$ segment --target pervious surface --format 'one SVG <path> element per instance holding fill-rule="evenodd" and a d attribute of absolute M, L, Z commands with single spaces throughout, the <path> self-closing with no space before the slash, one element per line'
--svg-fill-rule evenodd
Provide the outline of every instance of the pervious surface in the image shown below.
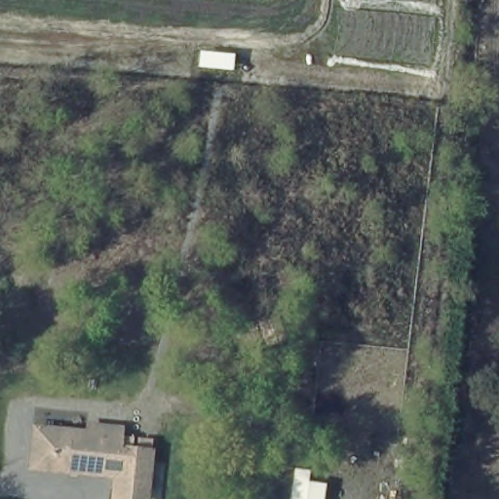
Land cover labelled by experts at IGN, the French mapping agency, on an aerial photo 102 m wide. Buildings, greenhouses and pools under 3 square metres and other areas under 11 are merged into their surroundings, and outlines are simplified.
<path fill-rule="evenodd" d="M 193 49 L 201 53 L 216 51 L 220 43 L 249 49 L 251 53 L 255 49 L 277 49 L 296 45 L 308 35 L 312 35 L 316 27 L 324 27 L 327 8 L 327 0 L 320 0 L 320 14 L 316 21 L 308 25 L 304 31 L 292 35 L 209 27 L 150 27 L 113 23 L 107 19 L 80 21 L 66 18 L 35 18 L 10 12 L 0 16 L 0 27 L 8 31 L 68 31 L 88 37 L 117 35 L 125 39 L 162 41 L 170 45 L 170 49 L 177 43 L 191 43 Z"/>
<path fill-rule="evenodd" d="M 193 234 L 197 230 L 197 220 L 205 216 L 205 212 L 201 211 L 201 199 L 209 175 L 205 170 L 209 170 L 211 166 L 212 140 L 222 111 L 218 101 L 224 97 L 226 86 L 214 86 L 214 90 L 211 111 L 207 115 L 209 131 L 207 138 L 201 142 L 199 160 L 203 164 L 203 170 L 195 173 L 195 177 L 193 212 L 189 214 L 187 234 L 179 249 L 179 259 L 183 255 L 189 255 L 189 249 L 193 246 Z"/>
<path fill-rule="evenodd" d="M 366 499 L 363 485 L 359 485 L 357 481 L 331 478 L 326 483 L 326 499 Z"/>

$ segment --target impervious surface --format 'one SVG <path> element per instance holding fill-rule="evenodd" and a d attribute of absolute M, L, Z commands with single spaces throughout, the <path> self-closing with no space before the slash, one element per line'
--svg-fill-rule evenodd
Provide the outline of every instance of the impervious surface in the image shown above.
<path fill-rule="evenodd" d="M 86 419 L 103 417 L 127 419 L 125 435 L 156 435 L 156 458 L 152 474 L 154 499 L 166 499 L 170 444 L 162 437 L 162 425 L 164 419 L 175 411 L 173 407 L 179 398 L 160 392 L 156 380 L 144 384 L 142 394 L 131 403 L 19 398 L 8 403 L 0 411 L 0 499 L 109 499 L 109 480 L 80 480 L 68 478 L 57 472 L 37 472 L 29 468 L 31 435 L 37 425 L 86 429 Z"/>

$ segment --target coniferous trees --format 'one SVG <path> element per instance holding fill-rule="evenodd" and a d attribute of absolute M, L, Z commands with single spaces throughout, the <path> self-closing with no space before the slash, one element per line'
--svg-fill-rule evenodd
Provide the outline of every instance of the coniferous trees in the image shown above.
<path fill-rule="evenodd" d="M 489 365 L 481 368 L 480 372 L 472 376 L 470 382 L 470 400 L 476 407 L 489 413 L 491 423 L 499 433 L 499 366 Z"/>

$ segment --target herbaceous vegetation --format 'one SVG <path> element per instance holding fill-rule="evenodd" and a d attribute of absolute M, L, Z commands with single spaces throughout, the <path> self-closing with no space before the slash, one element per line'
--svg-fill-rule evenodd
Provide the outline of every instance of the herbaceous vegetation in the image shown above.
<path fill-rule="evenodd" d="M 16 267 L 12 261 L 12 253 L 0 246 L 0 279 L 4 275 L 14 275 Z"/>
<path fill-rule="evenodd" d="M 140 285 L 146 277 L 146 271 L 152 265 L 177 269 L 179 259 L 179 249 L 187 234 L 189 214 L 193 212 L 195 177 L 185 175 L 185 211 L 175 212 L 173 207 L 166 207 L 154 212 L 154 216 L 146 224 L 142 224 L 142 228 L 136 234 L 119 238 L 115 246 L 94 255 L 90 253 L 84 261 L 74 261 L 76 253 L 74 242 L 78 238 L 78 216 L 70 205 L 55 199 L 49 193 L 45 197 L 45 203 L 53 205 L 58 211 L 55 226 L 57 240 L 49 248 L 49 255 L 55 259 L 57 265 L 47 273 L 47 277 L 37 287 L 18 285 L 12 290 L 0 288 L 0 411 L 8 403 L 19 398 L 131 403 L 142 394 L 144 384 L 156 380 L 156 372 L 150 370 L 150 351 L 156 345 L 156 337 L 146 331 L 146 306 L 142 300 Z M 27 359 L 29 353 L 35 349 L 35 339 L 43 335 L 57 320 L 55 296 L 64 288 L 70 275 L 78 283 L 84 281 L 90 292 L 107 296 L 119 285 L 119 281 L 111 277 L 109 269 L 125 273 L 129 279 L 127 290 L 117 304 L 117 316 L 121 318 L 121 324 L 113 335 L 105 337 L 111 365 L 117 366 L 125 376 L 119 376 L 101 386 L 74 382 L 58 388 L 47 388 L 41 380 L 41 374 L 33 376 L 27 370 Z"/>
<path fill-rule="evenodd" d="M 337 349 L 337 341 L 322 341 L 318 335 L 302 351 L 300 382 L 292 402 L 296 403 L 298 411 L 306 415 L 310 423 L 335 429 L 335 433 L 329 437 L 329 442 L 333 452 L 339 456 L 339 462 L 335 464 L 335 472 L 331 478 L 357 481 L 359 485 L 363 485 L 366 499 L 433 499 L 433 487 L 417 495 L 415 489 L 403 485 L 396 474 L 396 468 L 403 464 L 403 458 L 396 456 L 394 446 L 400 441 L 409 444 L 413 456 L 419 448 L 419 441 L 403 431 L 402 423 L 396 417 L 396 409 L 403 403 L 403 390 L 405 386 L 415 386 L 417 390 L 421 390 L 425 386 L 427 396 L 435 394 L 435 382 L 427 372 L 421 370 L 421 365 L 415 361 L 413 351 L 398 347 L 363 345 L 359 351 L 351 355 L 347 349 Z"/>
<path fill-rule="evenodd" d="M 173 407 L 175 411 L 164 419 L 162 425 L 162 437 L 170 444 L 166 499 L 185 499 L 181 480 L 185 472 L 183 462 L 179 458 L 179 450 L 181 439 L 191 421 L 191 405 L 179 398 Z"/>
<path fill-rule="evenodd" d="M 499 366 L 499 109 L 489 117 L 489 121 L 478 134 L 478 150 L 474 156 L 474 164 L 481 170 L 480 193 L 485 197 L 487 212 L 485 216 L 478 216 L 474 222 L 476 257 L 470 277 L 476 287 L 476 298 L 468 302 L 466 308 L 464 355 L 460 363 L 458 382 L 458 419 L 454 427 L 454 442 L 450 448 L 450 470 L 444 487 L 444 499 L 499 499 L 499 433 L 491 423 L 489 413 L 476 407 L 470 400 L 470 382 L 472 376 L 480 372 L 481 368 L 489 365 Z"/>
<path fill-rule="evenodd" d="M 105 183 L 111 179 L 127 177 L 125 170 L 131 164 L 121 144 L 125 134 L 123 129 L 127 117 L 140 113 L 140 107 L 138 101 L 129 96 L 127 90 L 119 84 L 119 88 L 107 96 L 97 94 L 97 109 L 94 115 L 68 125 L 64 133 L 55 136 L 58 148 L 64 150 L 62 156 L 70 158 L 74 164 L 82 168 L 84 164 L 101 166 L 105 172 Z M 90 131 L 97 129 L 103 129 L 103 140 L 109 142 L 109 152 L 105 156 L 86 154 L 80 150 L 80 136 L 86 136 Z"/>
<path fill-rule="evenodd" d="M 454 23 L 460 18 L 460 4 L 464 2 L 470 8 L 474 33 L 468 47 L 464 43 L 454 43 Z M 435 78 L 423 78 L 394 70 L 376 70 L 351 64 L 329 66 L 327 58 L 333 57 L 333 49 L 341 39 L 339 12 L 343 10 L 343 6 L 335 2 L 331 8 L 327 8 L 324 27 L 316 27 L 312 35 L 308 35 L 296 45 L 277 49 L 255 49 L 251 53 L 249 49 L 220 43 L 216 51 L 234 55 L 236 60 L 232 70 L 203 68 L 199 64 L 201 53 L 193 49 L 191 43 L 177 43 L 170 49 L 170 45 L 162 41 L 125 39 L 117 35 L 88 37 L 68 31 L 8 31 L 0 27 L 0 60 L 16 64 L 41 64 L 35 70 L 21 70 L 25 88 L 19 90 L 16 109 L 12 113 L 12 123 L 0 129 L 0 150 L 4 154 L 14 152 L 18 144 L 21 123 L 37 127 L 51 113 L 49 109 L 41 107 L 41 103 L 47 101 L 53 80 L 88 82 L 96 90 L 107 82 L 101 74 L 119 74 L 119 70 L 146 72 L 150 80 L 146 80 L 144 84 L 148 90 L 154 90 L 166 88 L 168 80 L 175 80 L 183 82 L 189 92 L 201 74 L 209 80 L 209 86 L 214 90 L 214 86 L 226 86 L 232 84 L 234 78 L 259 84 L 281 86 L 372 90 L 405 96 L 448 96 L 450 66 L 462 72 L 462 66 L 466 62 L 476 64 L 478 68 L 487 68 L 491 78 L 499 86 L 499 0 L 437 0 L 435 6 L 441 8 L 441 12 L 435 14 L 437 25 L 431 33 L 431 66 L 427 70 L 435 70 Z"/>

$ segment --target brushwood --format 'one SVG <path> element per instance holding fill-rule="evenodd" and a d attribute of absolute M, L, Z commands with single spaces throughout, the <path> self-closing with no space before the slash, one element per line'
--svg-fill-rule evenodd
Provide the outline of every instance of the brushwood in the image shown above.
<path fill-rule="evenodd" d="M 150 80 L 146 72 L 119 70 L 119 74 L 119 84 L 127 90 L 129 96 L 138 101 L 140 107 L 154 99 L 154 90 L 148 90 L 144 84 L 146 80 Z"/>
<path fill-rule="evenodd" d="M 62 156 L 64 150 L 58 148 L 55 136 L 64 133 L 68 125 L 94 115 L 97 109 L 97 94 L 96 90 L 88 82 L 53 80 L 47 101 L 41 103 L 41 107 L 49 109 L 51 113 L 55 113 L 58 107 L 66 109 L 66 119 L 62 121 L 62 125 L 55 127 L 53 131 L 39 131 L 37 127 L 21 123 L 18 144 L 14 152 L 4 154 L 0 150 L 0 238 L 19 232 L 21 220 L 29 218 L 31 209 L 35 209 L 39 203 L 45 203 L 45 197 L 49 193 L 45 183 L 25 185 L 21 177 L 33 173 L 35 164 L 43 160 L 43 156 Z"/>
<path fill-rule="evenodd" d="M 127 181 L 127 177 L 111 179 L 105 183 L 105 199 L 101 216 L 96 220 L 96 234 L 90 238 L 88 248 L 76 253 L 74 261 L 84 261 L 90 253 L 94 255 L 115 246 L 119 238 L 136 234 L 142 228 L 142 224 L 146 224 L 154 216 L 154 212 L 166 207 L 164 191 L 170 189 L 173 173 L 185 175 L 195 177 L 195 173 L 203 170 L 203 164 L 199 160 L 187 162 L 177 158 L 173 152 L 173 144 L 177 136 L 185 131 L 197 134 L 201 142 L 207 138 L 209 131 L 207 115 L 211 111 L 214 90 L 209 86 L 209 80 L 201 74 L 189 92 L 191 107 L 181 111 L 173 101 L 162 105 L 170 113 L 168 131 L 138 148 L 142 162 L 148 164 L 156 173 L 156 179 L 150 185 L 150 189 L 156 195 L 154 201 L 150 205 L 144 205 L 142 201 L 129 197 L 127 189 L 131 189 L 131 183 Z"/>
<path fill-rule="evenodd" d="M 209 175 L 201 199 L 201 211 L 205 212 L 205 216 L 197 220 L 197 230 L 207 228 L 209 224 L 222 224 L 228 230 L 228 240 L 236 248 L 236 255 L 228 265 L 214 265 L 203 261 L 199 249 L 193 246 L 189 249 L 189 255 L 183 255 L 179 259 L 177 269 L 177 285 L 181 292 L 187 292 L 193 287 L 220 287 L 226 306 L 238 308 L 242 316 L 253 324 L 267 322 L 273 316 L 281 298 L 281 271 L 288 265 L 302 269 L 316 285 L 314 304 L 308 316 L 314 320 L 318 335 L 322 341 L 337 341 L 337 349 L 347 349 L 351 355 L 359 351 L 363 345 L 398 347 L 413 351 L 417 337 L 421 333 L 431 335 L 433 347 L 441 345 L 442 296 L 446 285 L 442 281 L 433 283 L 427 277 L 425 263 L 431 259 L 442 259 L 442 267 L 448 269 L 450 255 L 441 246 L 427 242 L 429 214 L 423 205 L 429 197 L 427 187 L 433 181 L 437 181 L 442 173 L 439 170 L 439 150 L 444 144 L 446 127 L 442 121 L 442 107 L 448 103 L 448 96 L 405 96 L 372 90 L 281 86 L 277 88 L 277 92 L 288 101 L 287 123 L 290 131 L 296 136 L 296 154 L 287 173 L 269 175 L 267 154 L 277 150 L 277 136 L 273 127 L 257 125 L 253 94 L 255 90 L 259 90 L 259 84 L 234 78 L 232 84 L 226 86 L 224 97 L 218 101 L 222 111 L 212 140 L 211 166 L 209 170 L 205 170 Z M 394 133 L 407 133 L 415 125 L 421 125 L 423 129 L 431 131 L 433 142 L 419 148 L 411 154 L 409 160 L 405 160 L 394 148 Z M 365 205 L 368 199 L 374 199 L 384 207 L 384 214 L 380 220 L 366 216 Z M 394 249 L 392 263 L 380 263 L 372 259 L 372 249 L 380 246 L 390 246 Z"/>
<path fill-rule="evenodd" d="M 0 60 L 0 129 L 12 123 L 12 113 L 16 109 L 19 90 L 25 88 L 21 70 L 35 70 L 41 64 L 16 64 Z"/>

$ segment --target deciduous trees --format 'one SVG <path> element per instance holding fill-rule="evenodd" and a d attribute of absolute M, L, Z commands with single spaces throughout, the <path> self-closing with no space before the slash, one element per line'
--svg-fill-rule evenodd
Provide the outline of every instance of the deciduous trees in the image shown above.
<path fill-rule="evenodd" d="M 25 185 L 45 183 L 49 193 L 55 199 L 70 205 L 78 216 L 78 238 L 74 242 L 76 253 L 88 248 L 90 238 L 96 234 L 96 220 L 101 216 L 105 199 L 105 183 L 105 172 L 101 166 L 84 164 L 82 168 L 74 164 L 70 158 L 62 156 L 43 156 L 43 160 L 35 164 L 33 173 L 21 177 Z"/>
<path fill-rule="evenodd" d="M 107 296 L 90 292 L 84 281 L 78 283 L 70 275 L 64 288 L 55 296 L 57 320 L 43 335 L 35 339 L 35 349 L 29 353 L 27 359 L 27 370 L 33 376 L 41 374 L 41 380 L 47 388 L 58 388 L 74 382 L 101 386 L 119 376 L 125 376 L 117 366 L 111 365 L 105 337 L 113 335 L 121 324 L 121 318 L 117 316 L 117 304 L 127 290 L 129 279 L 125 273 L 109 269 L 111 277 L 119 281 L 119 285 Z"/>
<path fill-rule="evenodd" d="M 166 207 L 173 207 L 175 212 L 185 211 L 185 175 L 173 173 L 170 189 L 164 191 Z"/>
<path fill-rule="evenodd" d="M 384 207 L 374 199 L 368 199 L 365 205 L 366 216 L 380 220 L 384 214 Z"/>
<path fill-rule="evenodd" d="M 460 4 L 460 18 L 454 23 L 454 43 L 464 43 L 468 47 L 474 33 L 470 8 L 464 2 Z"/>
<path fill-rule="evenodd" d="M 80 136 L 80 150 L 86 154 L 105 156 L 109 152 L 109 142 L 103 140 L 103 129 L 97 129 L 90 131 L 86 136 Z"/>
<path fill-rule="evenodd" d="M 392 263 L 394 249 L 390 246 L 380 246 L 372 249 L 372 259 L 380 263 Z"/>
<path fill-rule="evenodd" d="M 187 292 L 181 292 L 177 285 L 177 269 L 152 265 L 146 271 L 146 277 L 140 285 L 142 300 L 146 306 L 146 331 L 156 337 L 156 345 L 150 351 L 150 370 L 156 372 L 156 380 L 160 392 L 179 398 L 191 405 L 191 421 L 181 439 L 179 450 L 179 458 L 183 462 L 185 472 L 181 480 L 185 499 L 290 499 L 294 485 L 294 470 L 308 470 L 310 480 L 326 483 L 331 478 L 335 472 L 335 464 L 339 462 L 339 456 L 333 452 L 329 442 L 329 437 L 335 433 L 335 429 L 310 423 L 306 415 L 298 411 L 296 403 L 292 402 L 300 382 L 302 351 L 318 335 L 314 320 L 308 316 L 314 304 L 316 285 L 302 269 L 288 265 L 281 271 L 281 298 L 273 316 L 279 318 L 283 327 L 283 339 L 273 345 L 265 341 L 263 333 L 257 331 L 253 324 L 242 316 L 238 308 L 226 306 L 220 287 L 193 287 Z"/>
<path fill-rule="evenodd" d="M 96 90 L 97 94 L 107 96 L 119 88 L 119 84 L 119 74 L 101 74 L 107 82 Z"/>
<path fill-rule="evenodd" d="M 18 285 L 37 287 L 47 277 L 47 273 L 57 265 L 55 259 L 49 255 L 49 248 L 57 240 L 55 226 L 58 211 L 53 205 L 45 203 L 39 203 L 35 209 L 31 209 L 29 218 L 21 220 L 19 232 L 0 238 L 0 246 L 12 253 L 12 261 L 16 267 L 14 275 L 4 275 L 0 279 L 0 288 L 12 290 Z"/>
<path fill-rule="evenodd" d="M 417 390 L 415 386 L 405 386 L 403 390 L 403 403 L 396 409 L 396 417 L 402 423 L 403 431 L 419 441 L 419 448 L 413 456 L 409 444 L 400 441 L 394 446 L 396 456 L 403 458 L 403 464 L 396 468 L 396 474 L 403 485 L 415 489 L 417 495 L 433 487 L 433 499 L 444 499 L 444 487 L 450 470 L 450 448 L 454 442 L 454 427 L 458 419 L 458 382 L 460 363 L 464 355 L 466 308 L 468 302 L 476 298 L 476 287 L 470 277 L 476 257 L 474 222 L 478 216 L 485 216 L 487 212 L 485 197 L 480 193 L 481 170 L 474 164 L 474 156 L 478 150 L 478 134 L 489 121 L 489 117 L 499 109 L 499 86 L 491 78 L 487 68 L 478 68 L 476 64 L 466 62 L 462 66 L 462 72 L 450 66 L 448 96 L 448 103 L 442 107 L 442 121 L 446 127 L 444 144 L 439 150 L 439 170 L 442 173 L 437 181 L 433 181 L 427 187 L 429 197 L 423 205 L 429 214 L 427 242 L 441 246 L 450 255 L 448 269 L 442 267 L 442 259 L 431 259 L 425 263 L 427 277 L 433 283 L 442 281 L 446 285 L 442 296 L 441 345 L 433 347 L 431 335 L 421 333 L 417 337 L 413 351 L 415 361 L 421 365 L 421 370 L 427 372 L 435 382 L 435 394 L 427 396 L 425 386 L 421 390 Z"/>
<path fill-rule="evenodd" d="M 411 154 L 419 148 L 433 142 L 431 131 L 423 129 L 421 125 L 415 125 L 407 133 L 394 133 L 394 148 L 405 160 L 409 160 Z"/>
<path fill-rule="evenodd" d="M 55 127 L 62 125 L 62 121 L 66 119 L 66 109 L 58 107 L 55 113 L 51 113 L 37 127 L 39 131 L 53 131 Z"/>
<path fill-rule="evenodd" d="M 222 224 L 209 224 L 207 228 L 197 230 L 193 234 L 193 246 L 199 249 L 203 261 L 214 265 L 228 265 L 236 255 L 236 248 L 228 240 L 228 230 Z"/>
<path fill-rule="evenodd" d="M 173 152 L 177 158 L 187 162 L 199 160 L 201 142 L 197 134 L 185 131 L 177 136 L 173 144 Z"/>
<path fill-rule="evenodd" d="M 121 144 L 131 164 L 125 170 L 127 177 L 127 181 L 131 183 L 131 189 L 127 189 L 129 197 L 142 201 L 144 205 L 150 205 L 154 201 L 156 195 L 150 189 L 150 185 L 156 179 L 156 173 L 148 164 L 142 162 L 138 148 L 168 131 L 170 113 L 162 105 L 173 101 L 181 111 L 191 107 L 189 92 L 183 82 L 175 80 L 168 80 L 166 88 L 154 90 L 154 99 L 140 107 L 140 113 L 127 117 L 123 129 L 125 134 Z"/>
<path fill-rule="evenodd" d="M 255 90 L 253 94 L 257 125 L 273 127 L 277 136 L 277 150 L 267 154 L 269 175 L 287 173 L 296 154 L 296 136 L 290 131 L 287 123 L 288 101 L 277 92 L 277 88 L 281 86 L 259 84 L 259 90 Z"/>

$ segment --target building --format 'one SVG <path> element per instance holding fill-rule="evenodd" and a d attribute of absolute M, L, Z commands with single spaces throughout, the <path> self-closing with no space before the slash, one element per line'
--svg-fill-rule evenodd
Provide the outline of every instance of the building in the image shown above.
<path fill-rule="evenodd" d="M 290 499 L 326 499 L 326 483 L 310 480 L 308 470 L 294 470 L 294 485 Z"/>
<path fill-rule="evenodd" d="M 267 322 L 253 324 L 257 331 L 263 333 L 265 341 L 273 345 L 283 339 L 283 327 L 279 318 L 273 316 Z"/>
<path fill-rule="evenodd" d="M 103 417 L 86 419 L 86 429 L 37 425 L 31 435 L 29 468 L 37 472 L 57 472 L 68 478 L 80 480 L 109 480 L 109 499 L 154 499 L 152 474 L 156 458 L 156 435 L 125 435 L 127 419 Z"/>

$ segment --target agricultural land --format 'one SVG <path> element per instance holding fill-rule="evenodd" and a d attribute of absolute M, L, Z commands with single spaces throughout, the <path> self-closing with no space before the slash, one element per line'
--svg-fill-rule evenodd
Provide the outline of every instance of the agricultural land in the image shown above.
<path fill-rule="evenodd" d="M 333 57 L 357 58 L 382 64 L 402 64 L 427 70 L 431 66 L 431 33 L 437 25 L 435 14 L 441 12 L 441 8 L 435 6 L 437 0 L 327 0 L 327 8 L 331 8 L 335 2 L 343 6 L 343 10 L 339 12 L 341 39 L 333 49 Z"/>
<path fill-rule="evenodd" d="M 320 0 L 0 0 L 0 16 L 10 12 L 35 18 L 66 18 L 80 21 L 107 19 L 113 23 L 150 27 L 209 27 L 292 35 L 304 31 L 308 25 L 316 21 L 320 14 Z"/>

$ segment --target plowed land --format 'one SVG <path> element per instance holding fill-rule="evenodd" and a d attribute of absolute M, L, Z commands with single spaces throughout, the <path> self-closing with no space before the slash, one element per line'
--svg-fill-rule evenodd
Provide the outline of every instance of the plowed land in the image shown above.
<path fill-rule="evenodd" d="M 402 64 L 382 64 L 357 58 L 333 57 L 327 58 L 329 66 L 351 64 L 376 70 L 394 70 L 423 78 L 435 78 L 435 70 L 427 70 Z"/>

